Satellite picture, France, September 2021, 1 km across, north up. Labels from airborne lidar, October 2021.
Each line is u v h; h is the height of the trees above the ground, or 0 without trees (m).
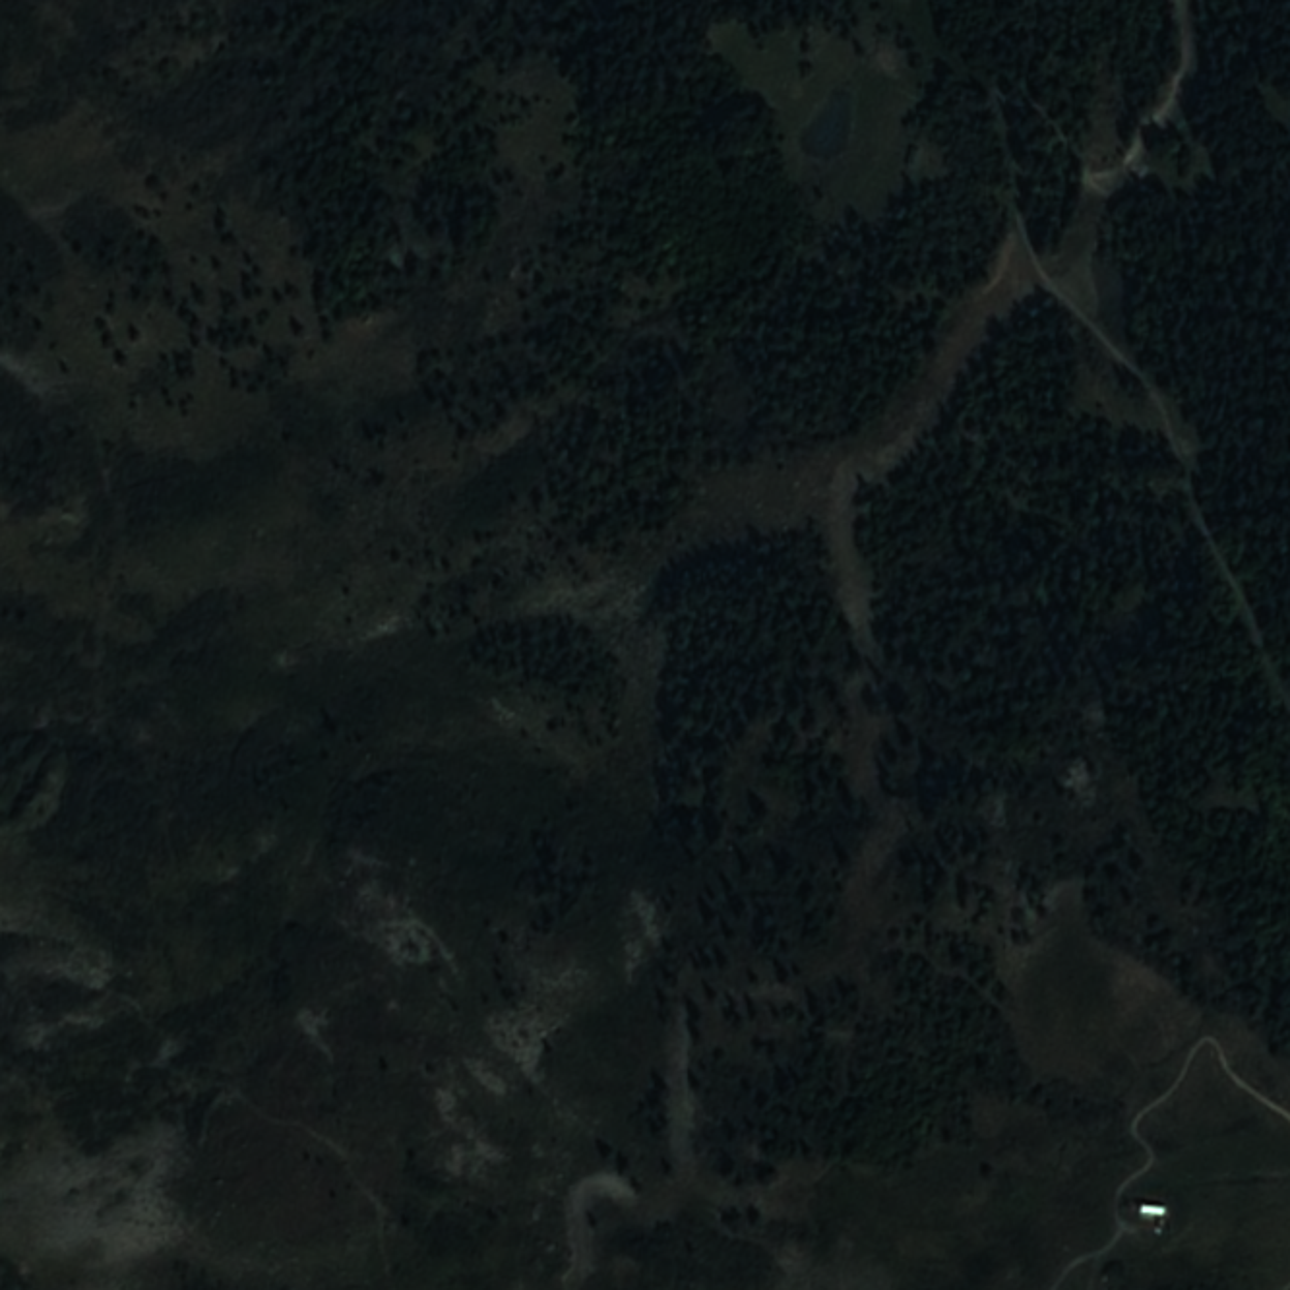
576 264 7
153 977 0
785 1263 0
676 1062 0
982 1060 9
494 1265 0
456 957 0
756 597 17
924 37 0
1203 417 18
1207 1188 0
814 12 9
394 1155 0
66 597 0
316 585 0
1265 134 23
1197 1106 0
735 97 8
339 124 9
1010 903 0
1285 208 15
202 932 0
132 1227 0
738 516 0
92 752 6
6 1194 0
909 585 10
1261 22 20
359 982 0
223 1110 0
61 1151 0
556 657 7
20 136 0
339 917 0
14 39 0
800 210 7
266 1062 0
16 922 0
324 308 7
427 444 0
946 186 7
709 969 16
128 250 9
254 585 0
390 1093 0
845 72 0
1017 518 10
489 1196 0
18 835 0
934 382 0
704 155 10
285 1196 0
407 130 10
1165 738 27
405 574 0
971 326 0
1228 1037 0
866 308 11
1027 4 8
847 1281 0
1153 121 0
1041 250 19
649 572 0
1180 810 10
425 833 0
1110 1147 0
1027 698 10
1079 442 11
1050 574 12
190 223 0
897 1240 0
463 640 0
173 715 0
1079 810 0
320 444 0
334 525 0
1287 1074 0
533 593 0
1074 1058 0
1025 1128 0
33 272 12
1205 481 10
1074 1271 0
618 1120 0
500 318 0
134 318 0
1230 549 11
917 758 0
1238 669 11
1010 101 15
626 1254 0
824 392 8
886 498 9
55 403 0
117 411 0
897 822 0
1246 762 14
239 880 0
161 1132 0
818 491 0
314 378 0
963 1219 0
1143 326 10
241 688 0
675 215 9
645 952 0
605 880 0
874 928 0
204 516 0
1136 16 11
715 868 0
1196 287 14
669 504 10
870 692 0
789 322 9
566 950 0
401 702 0
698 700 18
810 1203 0
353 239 10
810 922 12
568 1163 0
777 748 8
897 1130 11
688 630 12
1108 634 7
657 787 0
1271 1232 0
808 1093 8
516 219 0
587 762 0
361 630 0
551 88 0
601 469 9
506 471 0
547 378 8
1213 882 7
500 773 0
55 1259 0
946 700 10
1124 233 9
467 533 0
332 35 11
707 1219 0
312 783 0
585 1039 0
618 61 27
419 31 7
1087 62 10
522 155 0
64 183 0
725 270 8
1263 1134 0
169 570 0
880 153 0
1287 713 7
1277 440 20
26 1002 0
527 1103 0
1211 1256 0
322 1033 0
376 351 0
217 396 0
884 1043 7
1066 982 0
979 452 10
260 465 0
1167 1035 0
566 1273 0
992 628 9
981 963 10
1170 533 9
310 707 0
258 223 0
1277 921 12
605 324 10
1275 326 7
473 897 0
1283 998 21
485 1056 0
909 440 0
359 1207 0
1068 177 11
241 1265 0
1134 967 0
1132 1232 0
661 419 14
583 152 8
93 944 0
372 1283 0
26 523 0
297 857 0
